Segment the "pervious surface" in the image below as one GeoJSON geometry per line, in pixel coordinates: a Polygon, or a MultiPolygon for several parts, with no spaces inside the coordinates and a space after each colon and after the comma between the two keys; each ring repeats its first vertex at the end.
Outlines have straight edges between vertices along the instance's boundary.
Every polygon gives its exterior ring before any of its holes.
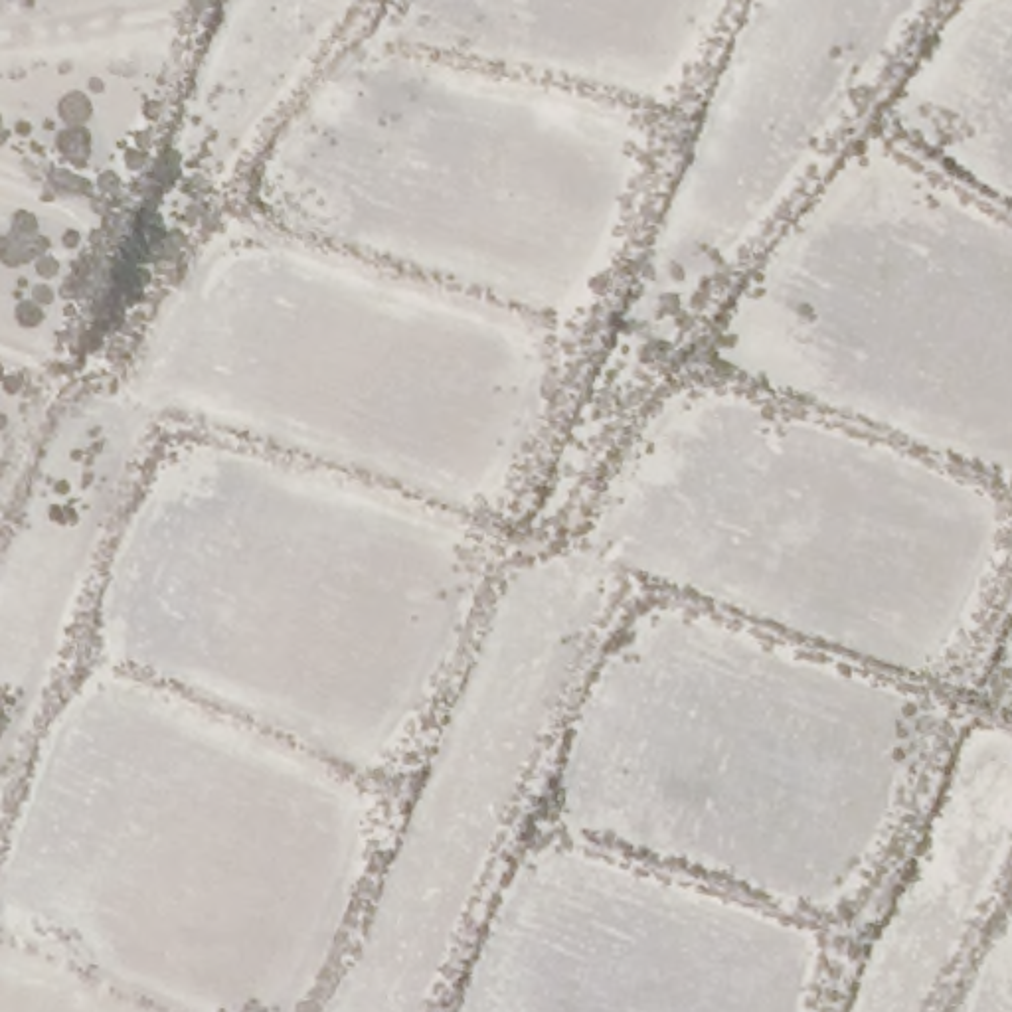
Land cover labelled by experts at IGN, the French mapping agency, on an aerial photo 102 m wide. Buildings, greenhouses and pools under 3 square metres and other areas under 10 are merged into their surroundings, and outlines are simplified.
{"type": "Polygon", "coordinates": [[[672,874],[672,886],[664,886],[660,878],[636,878],[625,866],[625,858],[589,858],[585,830],[613,830],[633,846],[648,846],[668,858],[688,858],[708,870],[727,870],[767,889],[771,897],[779,889],[795,889],[799,901],[838,909],[862,889],[862,878],[878,866],[878,854],[893,838],[893,826],[905,818],[897,810],[897,787],[909,783],[909,771],[893,759],[893,719],[905,704],[917,704],[921,692],[897,692],[893,684],[882,684],[874,676],[842,676],[838,656],[818,664],[799,660],[795,644],[763,648],[751,636],[751,629],[727,629],[708,617],[684,617],[684,609],[652,609],[636,621],[633,633],[640,664],[625,664],[613,652],[573,727],[561,818],[569,826],[573,854],[542,846],[526,854],[514,886],[506,886],[482,961],[474,965],[463,1012],[810,1012],[806,1000],[818,969],[818,941],[810,929],[779,925],[755,905],[700,893],[696,878],[688,874],[672,874]]]}
{"type": "Polygon", "coordinates": [[[992,901],[1000,893],[1004,862],[1012,850],[1012,731],[988,727],[965,743],[949,806],[933,826],[933,850],[921,862],[917,882],[901,897],[893,925],[870,953],[854,1012],[921,1012],[921,1000],[933,992],[937,969],[953,953],[961,953],[969,921],[980,917],[980,901],[992,901]]]}
{"type": "Polygon", "coordinates": [[[198,75],[198,91],[186,103],[217,130],[213,154],[221,158],[221,170],[206,178],[210,186],[233,182],[237,166],[249,162],[257,142],[265,138],[269,115],[277,115],[277,107],[289,103],[300,79],[312,71],[312,55],[344,16],[336,0],[229,0],[225,24],[198,75]]]}
{"type": "Polygon", "coordinates": [[[949,150],[980,182],[1012,198],[1012,0],[965,0],[957,16],[945,24],[933,59],[913,75],[897,111],[909,130],[921,130],[933,146],[949,150]]]}
{"type": "Polygon", "coordinates": [[[134,182],[127,150],[134,146],[134,130],[146,127],[142,99],[154,91],[154,75],[162,71],[162,59],[170,55],[178,32],[174,12],[162,0],[0,0],[0,233],[12,225],[16,210],[36,213],[55,257],[47,289],[67,285],[71,261],[91,253],[91,229],[99,225],[99,217],[91,213],[91,206],[83,198],[43,202],[40,190],[47,182],[47,170],[99,178],[111,170],[119,182],[134,182]],[[103,95],[91,103],[91,158],[87,166],[79,166],[59,154],[55,138],[63,134],[59,99],[67,91],[79,91],[87,79],[103,79],[103,95]]]}
{"type": "Polygon", "coordinates": [[[364,269],[352,257],[308,249],[296,241],[265,249],[229,249],[217,237],[210,237],[190,261],[186,281],[162,300],[158,320],[146,328],[142,356],[130,364],[130,380],[115,395],[91,395],[79,407],[79,415],[59,423],[43,470],[67,478],[67,494],[55,494],[51,486],[36,482],[24,530],[16,534],[8,557],[0,553],[0,759],[28,751],[28,731],[43,708],[43,688],[55,680],[55,672],[71,676],[75,656],[63,656],[67,625],[79,613],[83,589],[95,589],[99,581],[99,546],[107,538],[123,542],[111,565],[111,589],[103,597],[99,664],[87,676],[87,684],[71,696],[71,704],[55,716],[40,747],[32,791],[20,806],[12,846],[0,866],[0,1012],[296,1012],[296,1004],[312,992],[320,965],[328,961],[332,933],[344,921],[352,886],[364,878],[364,866],[372,874],[387,874],[387,889],[376,909],[376,925],[360,965],[344,972],[324,1012],[423,1012],[427,1000],[439,1000],[455,984],[451,976],[443,976],[443,969],[466,957],[470,933],[463,929],[463,913],[498,838],[506,795],[518,787],[518,775],[538,735],[557,731],[557,716],[542,704],[542,684],[557,656],[557,644],[565,633],[589,633],[597,617],[605,617],[617,589],[617,561],[640,565],[676,585],[696,585],[716,601],[731,601],[739,609],[775,617],[802,633],[866,648],[882,660],[941,672],[945,652],[957,648],[957,636],[976,625],[976,609],[1004,561],[996,534],[1004,530],[1004,518],[996,514],[992,490],[957,478],[953,470],[933,470],[921,459],[901,455],[893,447],[846,439],[842,431],[822,427],[818,415],[763,419],[763,411],[751,399],[723,395],[716,387],[708,387],[684,411],[688,395],[676,391],[644,423],[644,435],[656,443],[656,455],[625,459],[621,474],[609,478],[609,490],[625,494],[625,502],[601,506],[589,534],[589,549],[565,549],[553,561],[530,565],[506,589],[506,597],[498,597],[490,640],[478,656],[466,700],[455,708],[451,727],[423,727],[427,704],[435,696],[431,680],[443,664],[455,664],[459,625],[474,605],[474,593],[482,589],[478,577],[451,569],[466,522],[407,502],[395,490],[360,486],[332,470],[300,474],[277,466],[265,455],[210,447],[178,447],[178,463],[158,466],[146,502],[130,522],[123,522],[115,510],[127,502],[138,478],[138,463],[150,451],[154,411],[162,407],[202,411],[210,419],[273,435],[293,447],[308,447],[316,455],[364,463],[411,486],[435,490],[451,502],[494,506],[498,498],[510,498],[506,478],[514,455],[522,451],[522,439],[538,435],[538,427],[546,423],[542,324],[526,324],[522,316],[490,308],[474,296],[395,281],[387,269],[364,269]]]}
{"type": "Polygon", "coordinates": [[[814,213],[802,217],[799,233],[791,233],[775,249],[763,277],[767,296],[739,300],[731,316],[735,348],[723,348],[723,360],[755,376],[767,376],[775,387],[795,387],[830,407],[862,411],[925,447],[949,447],[965,459],[996,463],[1000,478],[1012,474],[1012,225],[961,202],[953,186],[929,186],[929,174],[937,170],[933,158],[921,174],[913,174],[886,158],[886,146],[874,138],[866,154],[858,154],[826,190],[814,213]]]}
{"type": "Polygon", "coordinates": [[[992,941],[984,965],[976,969],[976,980],[961,1012],[1012,1012],[1012,917],[1008,929],[992,941]]]}
{"type": "Polygon", "coordinates": [[[806,146],[814,134],[830,138],[838,127],[866,127],[866,119],[850,103],[850,87],[878,83],[886,59],[901,47],[909,24],[921,24],[921,8],[913,0],[755,0],[755,8],[747,12],[747,28],[735,40],[735,59],[719,79],[712,115],[696,142],[696,162],[656,237],[652,277],[644,277],[640,300],[629,312],[629,332],[617,336],[617,348],[593,383],[597,391],[664,383],[664,372],[656,364],[640,364],[640,348],[648,340],[676,340],[676,320],[660,316],[660,300],[668,293],[692,296],[696,285],[712,273],[712,261],[700,257],[696,241],[712,241],[735,265],[739,249],[747,249],[759,237],[763,221],[795,194],[806,166],[830,166],[830,154],[806,146]]]}
{"type": "Polygon", "coordinates": [[[419,16],[419,28],[411,36],[415,43],[455,47],[459,36],[470,36],[474,55],[617,83],[656,103],[672,103],[680,95],[684,63],[704,59],[712,28],[735,24],[735,12],[727,8],[731,0],[411,0],[407,8],[419,16]]]}
{"type": "Polygon", "coordinates": [[[12,304],[16,281],[8,265],[0,265],[0,518],[28,470],[40,423],[59,399],[59,380],[51,376],[51,348],[55,332],[63,328],[63,300],[47,304],[36,328],[24,328],[12,304]]]}
{"type": "Polygon", "coordinates": [[[289,134],[277,142],[277,154],[265,170],[269,186],[300,202],[285,221],[344,241],[360,241],[364,249],[395,253],[423,269],[459,273],[470,285],[494,285],[498,296],[557,308],[573,320],[577,308],[593,304],[593,277],[621,257],[621,194],[629,190],[633,174],[640,174],[636,158],[625,158],[625,142],[648,146],[648,130],[629,123],[625,107],[605,107],[549,87],[439,67],[415,115],[407,115],[395,127],[380,127],[376,115],[360,115],[352,107],[356,83],[320,87],[312,107],[300,119],[293,119],[289,134]]]}

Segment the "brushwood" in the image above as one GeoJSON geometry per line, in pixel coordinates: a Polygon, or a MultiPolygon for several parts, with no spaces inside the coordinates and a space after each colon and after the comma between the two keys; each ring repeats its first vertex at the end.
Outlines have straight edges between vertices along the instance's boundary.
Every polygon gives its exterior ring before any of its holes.
{"type": "Polygon", "coordinates": [[[111,565],[123,542],[107,538],[99,546],[99,581],[95,589],[83,589],[79,613],[67,625],[63,656],[75,656],[71,676],[55,672],[55,680],[43,688],[43,708],[28,731],[28,751],[0,759],[0,866],[12,846],[20,806],[32,791],[40,747],[55,716],[71,704],[71,696],[87,684],[87,676],[99,664],[103,597],[111,589],[111,565]]]}
{"type": "Polygon", "coordinates": [[[992,941],[1008,929],[1012,917],[1012,850],[1004,862],[1000,893],[992,901],[980,901],[980,917],[969,921],[961,953],[953,953],[937,969],[933,992],[921,1000],[921,1012],[961,1012],[976,980],[976,969],[984,965],[992,941]]]}
{"type": "Polygon", "coordinates": [[[87,79],[79,91],[67,91],[59,99],[63,134],[55,138],[59,154],[79,166],[87,166],[91,158],[91,103],[103,95],[103,79],[87,79]]]}
{"type": "Polygon", "coordinates": [[[474,55],[470,36],[459,36],[455,47],[415,43],[411,36],[419,28],[419,16],[407,8],[411,0],[336,0],[344,16],[312,55],[312,71],[300,79],[289,103],[277,107],[277,115],[269,115],[265,138],[257,142],[249,162],[237,166],[233,182],[210,186],[206,178],[221,170],[221,158],[213,154],[217,130],[186,103],[198,91],[198,75],[225,24],[229,0],[162,0],[174,12],[178,32],[170,55],[162,59],[162,71],[154,75],[154,91],[142,99],[146,127],[134,130],[134,146],[127,150],[134,182],[119,182],[111,170],[99,178],[47,170],[47,182],[40,190],[43,202],[83,198],[91,206],[91,213],[99,217],[99,225],[91,229],[91,253],[71,261],[67,285],[47,289],[55,257],[36,213],[16,210],[12,225],[0,233],[0,265],[8,265],[16,281],[12,304],[24,328],[36,328],[47,304],[63,300],[63,328],[55,332],[51,348],[51,376],[59,380],[59,399],[40,423],[28,470],[0,518],[0,553],[8,557],[16,534],[24,530],[36,482],[51,486],[55,494],[67,494],[67,478],[43,470],[59,423],[79,415],[79,407],[91,395],[115,395],[130,380],[130,364],[142,356],[146,328],[158,320],[162,300],[186,281],[190,261],[210,237],[217,237],[229,249],[265,249],[296,241],[308,249],[352,257],[364,269],[387,269],[395,281],[474,296],[490,308],[522,316],[526,324],[542,324],[546,423],[538,427],[538,435],[522,439],[522,451],[514,455],[506,478],[510,498],[498,498],[494,506],[451,502],[435,490],[411,486],[364,463],[316,455],[308,447],[293,447],[273,435],[210,419],[202,411],[162,407],[154,411],[150,451],[138,463],[138,478],[127,502],[115,510],[123,522],[130,522],[146,502],[158,466],[178,463],[178,447],[210,447],[265,455],[277,466],[300,474],[332,470],[360,486],[395,490],[407,502],[466,522],[451,569],[478,577],[482,589],[474,593],[474,605],[459,625],[455,664],[443,664],[431,680],[435,696],[427,704],[423,727],[451,727],[455,708],[466,700],[478,656],[490,640],[498,597],[506,597],[506,589],[530,565],[553,561],[565,549],[589,549],[589,534],[601,506],[625,502],[625,494],[609,490],[609,478],[621,474],[625,459],[656,455],[656,443],[644,435],[644,423],[676,391],[688,395],[684,411],[708,387],[716,387],[723,395],[751,399],[763,411],[763,419],[818,415],[822,427],[842,431],[846,439],[893,447],[901,455],[921,459],[933,470],[953,470],[957,478],[992,490],[996,514],[1004,518],[1004,530],[996,534],[1004,561],[976,609],[976,625],[957,636],[957,648],[945,652],[941,672],[882,660],[866,648],[802,633],[775,617],[739,609],[731,601],[716,601],[696,585],[676,585],[640,565],[617,561],[617,589],[605,617],[597,617],[589,633],[565,633],[557,644],[557,656],[542,684],[542,704],[557,716],[557,731],[538,735],[518,775],[518,787],[506,795],[498,838],[463,913],[463,929],[470,933],[466,957],[443,969],[443,976],[451,976],[455,984],[439,1000],[427,1000],[423,1012],[463,1012],[474,965],[482,961],[506,886],[514,886],[526,854],[542,846],[573,854],[569,826],[561,818],[573,727],[613,652],[625,664],[640,664],[633,633],[636,621],[652,609],[684,609],[684,617],[708,617],[727,629],[751,629],[751,636],[763,648],[795,644],[799,660],[818,664],[838,656],[842,676],[874,676],[882,684],[893,684],[897,692],[921,692],[917,704],[905,704],[893,719],[893,759],[909,771],[909,783],[897,787],[897,810],[905,818],[893,826],[893,838],[878,854],[878,866],[862,878],[862,889],[838,909],[799,901],[795,889],[779,889],[771,897],[767,889],[727,870],[708,870],[688,858],[668,858],[648,846],[633,846],[613,830],[585,830],[589,858],[625,858],[625,866],[636,878],[660,878],[664,886],[672,886],[672,874],[688,874],[696,878],[700,893],[755,905],[779,925],[810,929],[818,941],[818,969],[806,1000],[810,1012],[854,1012],[870,953],[893,925],[901,897],[917,882],[921,862],[933,850],[933,826],[949,806],[965,743],[988,727],[1012,731],[1012,474],[1000,478],[996,463],[965,459],[949,447],[925,447],[862,411],[830,407],[795,387],[775,387],[767,376],[755,376],[723,360],[723,348],[735,348],[731,316],[739,300],[767,296],[763,277],[775,249],[791,233],[799,233],[802,217],[814,213],[826,190],[858,154],[866,154],[874,138],[886,146],[886,158],[913,174],[921,174],[933,158],[937,170],[929,174],[929,186],[953,186],[961,202],[1012,225],[1012,198],[980,182],[949,150],[933,146],[921,130],[909,130],[897,111],[913,75],[933,59],[945,24],[957,16],[965,0],[913,0],[921,8],[921,24],[909,24],[901,47],[886,59],[878,83],[850,87],[850,103],[866,119],[866,127],[838,127],[830,138],[814,134],[806,146],[830,154],[830,166],[806,166],[795,194],[763,221],[759,237],[747,249],[739,249],[735,265],[712,241],[696,241],[700,257],[712,261],[712,273],[696,285],[692,296],[668,293],[660,300],[660,316],[676,320],[676,340],[648,340],[640,348],[640,364],[656,364],[664,372],[664,383],[597,391],[593,383],[617,348],[617,336],[629,332],[629,312],[640,300],[644,277],[652,277],[656,237],[696,162],[696,142],[712,115],[719,79],[735,59],[735,40],[747,28],[747,12],[755,8],[755,0],[731,0],[727,8],[735,12],[735,24],[712,28],[704,59],[684,63],[680,95],[672,103],[656,103],[617,83],[474,55]],[[407,115],[415,115],[439,67],[549,87],[605,107],[625,107],[629,123],[648,130],[648,146],[625,142],[625,158],[636,158],[640,174],[633,174],[629,190],[621,194],[621,257],[593,277],[593,304],[577,308],[573,320],[557,308],[498,296],[494,285],[470,285],[459,273],[423,269],[395,253],[364,249],[360,241],[344,241],[285,221],[300,202],[269,186],[265,170],[277,154],[277,142],[289,134],[293,119],[300,119],[312,107],[320,87],[356,83],[352,107],[360,115],[376,115],[380,127],[395,127],[407,115]]]}
{"type": "Polygon", "coordinates": [[[332,933],[328,961],[320,965],[312,992],[296,1004],[296,1012],[324,1012],[344,972],[360,965],[376,925],[376,909],[387,889],[387,874],[372,874],[364,866],[364,878],[352,886],[344,921],[332,933]]]}

